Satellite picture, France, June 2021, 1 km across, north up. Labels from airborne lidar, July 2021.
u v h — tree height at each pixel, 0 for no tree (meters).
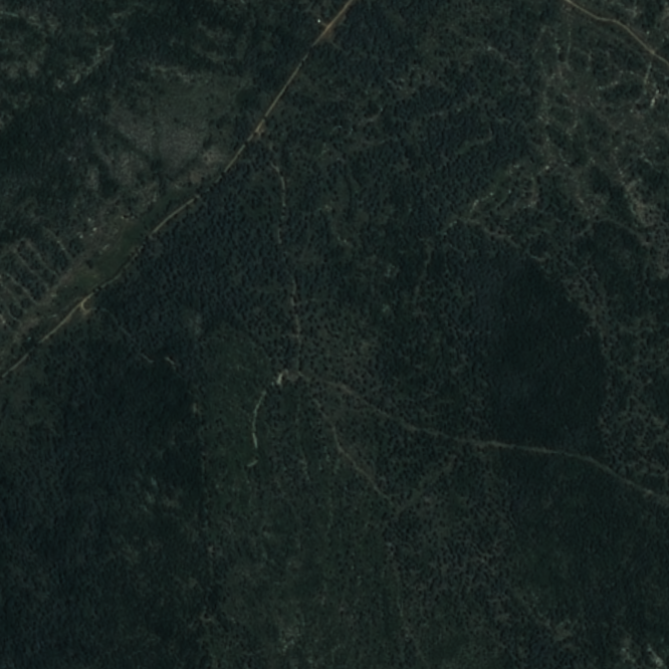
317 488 7
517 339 9
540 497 8
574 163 8
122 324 10
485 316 11
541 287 11
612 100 6
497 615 12
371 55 8
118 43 8
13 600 9
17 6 7
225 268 8
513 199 9
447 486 6
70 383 9
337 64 8
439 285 10
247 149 9
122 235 0
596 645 7
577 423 8
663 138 6
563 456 13
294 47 7
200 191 11
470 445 9
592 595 9
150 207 7
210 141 7
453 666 0
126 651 6
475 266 13
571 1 0
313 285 11
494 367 13
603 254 6
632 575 9
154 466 9
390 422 11
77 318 0
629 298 6
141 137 0
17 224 7
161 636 7
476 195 7
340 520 8
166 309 10
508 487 10
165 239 11
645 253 8
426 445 8
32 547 8
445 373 8
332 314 9
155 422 10
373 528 8
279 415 9
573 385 9
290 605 0
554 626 5
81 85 8
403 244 9
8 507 6
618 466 10
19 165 9
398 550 10
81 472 5
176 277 11
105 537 7
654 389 9
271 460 8
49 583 6
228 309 7
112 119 0
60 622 9
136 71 7
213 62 6
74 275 0
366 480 7
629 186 0
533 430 9
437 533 10
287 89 7
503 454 7
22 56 7
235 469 0
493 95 8
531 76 8
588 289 6
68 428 7
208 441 8
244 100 7
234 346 0
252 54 7
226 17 6
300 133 6
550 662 13
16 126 10
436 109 8
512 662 10
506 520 8
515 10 8
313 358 10
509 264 9
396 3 8
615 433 7
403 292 7
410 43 9
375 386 8
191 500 7
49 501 6
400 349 9
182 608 6
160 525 6
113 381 10
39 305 0
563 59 10
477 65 7
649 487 7
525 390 12
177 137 0
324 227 9
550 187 7
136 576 7
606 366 12
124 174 0
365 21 8
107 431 6
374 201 7
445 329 6
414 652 9
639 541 7
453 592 7
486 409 9
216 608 9
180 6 7
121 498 7
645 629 8
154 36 9
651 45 0
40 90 9
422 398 9
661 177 9
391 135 10
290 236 7
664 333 8
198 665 7
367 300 9
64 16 9
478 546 8
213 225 8
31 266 7
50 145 12
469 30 8
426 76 9
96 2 7
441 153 11
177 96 0
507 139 11
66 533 9
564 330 8
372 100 8
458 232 11
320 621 0
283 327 6
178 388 8
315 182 11
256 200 8
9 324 9
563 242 9
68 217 10
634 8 0
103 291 8
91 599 7
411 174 10
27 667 7
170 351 16
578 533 7
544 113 0
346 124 11
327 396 6
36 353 8
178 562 7
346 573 8
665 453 8
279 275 10
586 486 9
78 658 8
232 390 0
